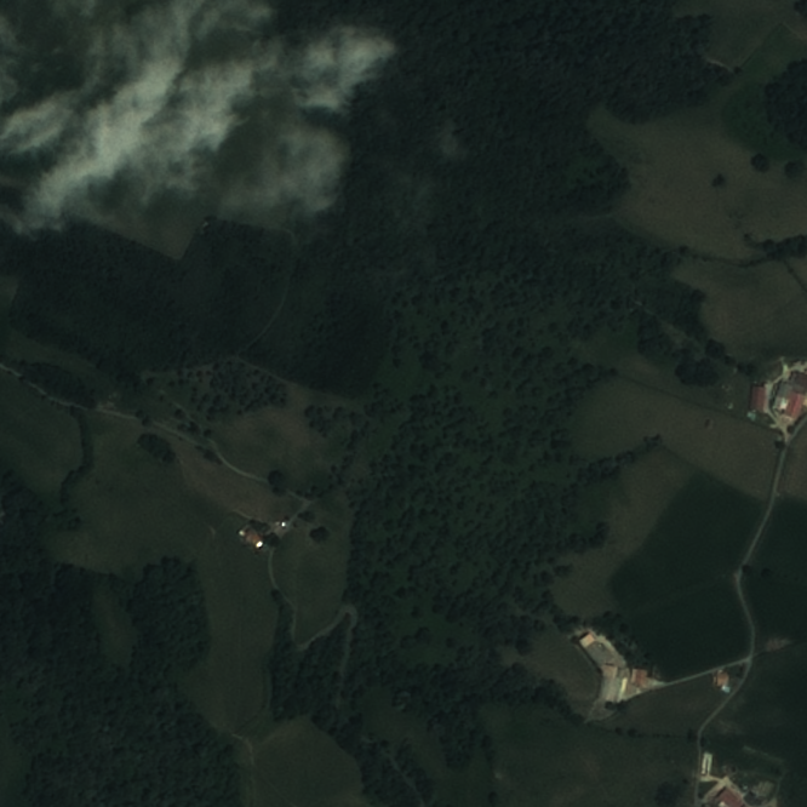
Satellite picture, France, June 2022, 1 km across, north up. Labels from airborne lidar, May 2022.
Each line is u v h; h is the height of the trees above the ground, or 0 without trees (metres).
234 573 0
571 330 11
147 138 0
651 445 13
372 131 10
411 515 12
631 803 0
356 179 12
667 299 9
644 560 0
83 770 16
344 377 15
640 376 0
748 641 0
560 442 17
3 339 0
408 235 10
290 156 0
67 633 24
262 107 0
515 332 7
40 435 0
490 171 14
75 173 0
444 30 20
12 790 0
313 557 0
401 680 9
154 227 0
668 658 0
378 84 20
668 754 0
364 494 11
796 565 0
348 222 15
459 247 20
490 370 10
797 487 0
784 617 0
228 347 6
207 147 0
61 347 8
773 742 0
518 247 16
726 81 16
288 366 6
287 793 0
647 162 0
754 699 0
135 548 0
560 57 27
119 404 0
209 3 0
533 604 13
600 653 0
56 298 10
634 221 0
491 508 11
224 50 0
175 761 21
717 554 0
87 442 11
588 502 0
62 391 17
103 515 0
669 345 14
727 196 0
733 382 0
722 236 0
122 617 0
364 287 13
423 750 0
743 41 0
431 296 8
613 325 14
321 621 0
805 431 0
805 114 28
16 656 20
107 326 6
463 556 10
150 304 12
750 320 0
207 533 0
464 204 12
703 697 0
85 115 0
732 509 0
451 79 18
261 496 0
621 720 0
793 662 0
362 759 22
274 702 11
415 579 12
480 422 10
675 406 0
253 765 0
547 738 0
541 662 0
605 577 0
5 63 0
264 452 0
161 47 0
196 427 14
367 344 15
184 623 16
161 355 10
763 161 16
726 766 0
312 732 0
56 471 0
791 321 0
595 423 0
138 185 0
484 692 9
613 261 9
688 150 0
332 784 0
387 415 10
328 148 0
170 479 0
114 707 15
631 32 21
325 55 16
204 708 0
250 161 0
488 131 16
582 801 0
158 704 13
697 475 0
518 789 0
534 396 13
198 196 0
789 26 0
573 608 0
